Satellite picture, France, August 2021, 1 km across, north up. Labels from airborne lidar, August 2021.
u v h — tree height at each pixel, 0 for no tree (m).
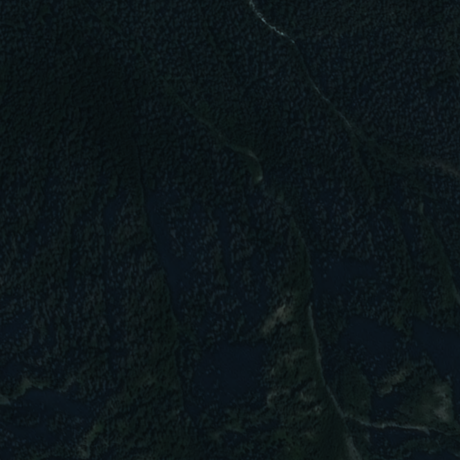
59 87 37
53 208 25
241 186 22
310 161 21
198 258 34
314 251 6
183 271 18
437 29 22
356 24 33
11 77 24
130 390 16
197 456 5
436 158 25
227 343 8
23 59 16
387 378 20
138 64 31
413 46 32
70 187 20
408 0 27
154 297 19
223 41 21
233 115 15
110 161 29
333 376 11
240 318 18
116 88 23
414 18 10
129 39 20
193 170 24
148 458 13
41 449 11
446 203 13
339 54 28
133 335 25
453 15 15
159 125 31
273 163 16
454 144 29
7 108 27
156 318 15
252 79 27
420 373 12
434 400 0
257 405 7
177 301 9
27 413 19
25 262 14
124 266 15
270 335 13
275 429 12
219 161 28
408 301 10
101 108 21
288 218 10
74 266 23
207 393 11
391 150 7
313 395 8
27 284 15
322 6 27
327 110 19
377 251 14
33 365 23
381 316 12
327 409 6
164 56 22
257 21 24
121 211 24
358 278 6
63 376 9
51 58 35
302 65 17
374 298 7
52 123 33
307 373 7
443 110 22
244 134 14
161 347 10
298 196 9
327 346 5
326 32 28
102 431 0
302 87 28
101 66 22
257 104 19
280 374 10
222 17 17
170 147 25
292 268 19
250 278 27
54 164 27
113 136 19
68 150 25
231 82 23
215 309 23
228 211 26
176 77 24
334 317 11
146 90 29
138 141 28
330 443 7
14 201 21
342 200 26
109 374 16
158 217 12
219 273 17
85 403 14
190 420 5
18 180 24
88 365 11
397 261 13
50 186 20
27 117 27
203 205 28
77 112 38
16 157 30
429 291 10
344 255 12
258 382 11
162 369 7
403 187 20
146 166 22
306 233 7
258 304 7
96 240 21
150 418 13
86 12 7
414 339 13
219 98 12
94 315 32
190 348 16
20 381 12
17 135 28
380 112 25
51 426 18
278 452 9
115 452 19
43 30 18
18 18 24
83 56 22
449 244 7
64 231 32
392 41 19
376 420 7
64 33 24
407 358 16
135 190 19
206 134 30
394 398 8
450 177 12
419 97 16
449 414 0
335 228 24
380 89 17
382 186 9
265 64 22
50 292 37
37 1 14
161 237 16
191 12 24
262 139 14
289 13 27
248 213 27
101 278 16
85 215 8
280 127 22
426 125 19
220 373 12
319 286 12
